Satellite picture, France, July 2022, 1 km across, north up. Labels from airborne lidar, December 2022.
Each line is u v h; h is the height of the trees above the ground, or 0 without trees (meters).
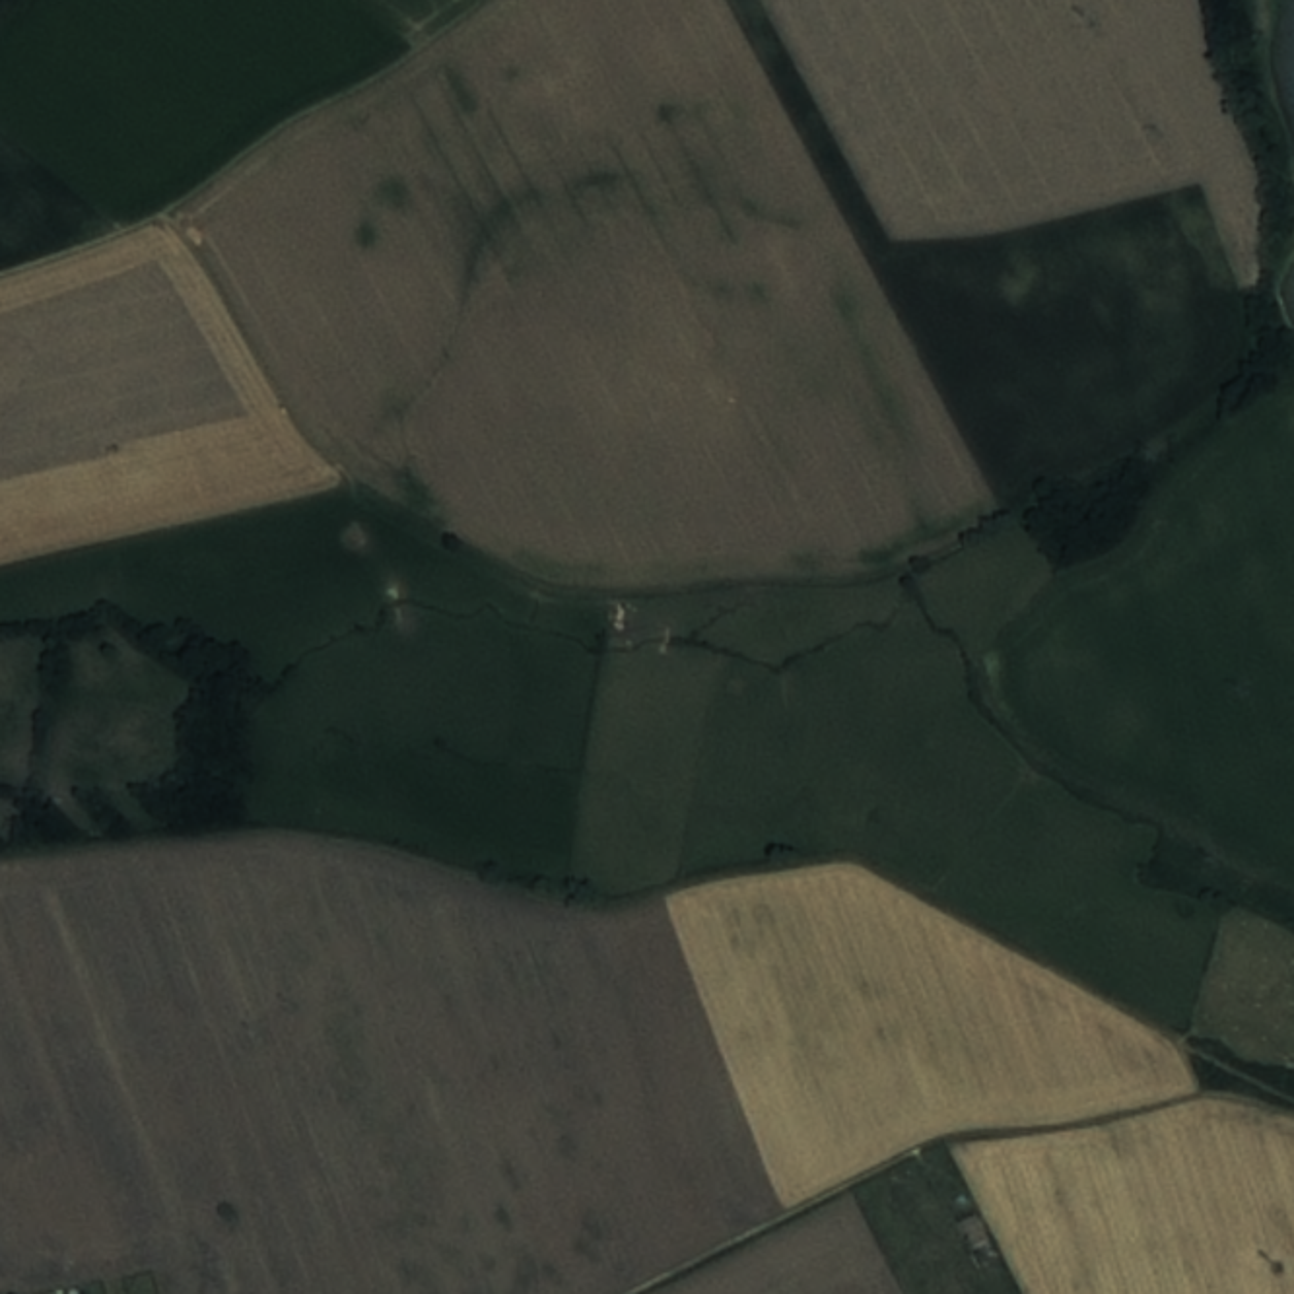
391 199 0
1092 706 0
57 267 0
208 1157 0
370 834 0
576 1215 0
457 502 0
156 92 0
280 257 0
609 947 0
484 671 0
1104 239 0
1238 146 0
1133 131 0
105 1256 0
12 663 0
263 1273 0
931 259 0
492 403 0
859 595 0
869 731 0
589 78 0
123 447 0
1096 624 0
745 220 0
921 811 0
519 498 0
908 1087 0
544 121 0
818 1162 0
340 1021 0
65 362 0
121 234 0
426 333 0
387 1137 0
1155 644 0
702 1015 0
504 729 0
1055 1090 0
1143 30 0
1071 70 0
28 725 0
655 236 0
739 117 0
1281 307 12
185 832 14
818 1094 0
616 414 0
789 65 0
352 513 0
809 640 0
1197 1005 0
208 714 14
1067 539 11
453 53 0
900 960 0
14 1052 0
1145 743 0
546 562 0
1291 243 0
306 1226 0
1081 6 0
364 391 0
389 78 0
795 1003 0
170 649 6
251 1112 0
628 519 0
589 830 0
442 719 0
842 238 0
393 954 0
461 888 0
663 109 0
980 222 0
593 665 0
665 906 0
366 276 0
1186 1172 0
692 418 0
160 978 0
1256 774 0
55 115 0
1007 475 0
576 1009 0
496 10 0
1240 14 23
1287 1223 0
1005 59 0
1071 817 0
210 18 0
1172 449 6
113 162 0
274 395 0
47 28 0
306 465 0
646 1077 0
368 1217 0
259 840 0
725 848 0
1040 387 0
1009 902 0
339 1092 0
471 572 0
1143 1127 0
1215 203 0
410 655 0
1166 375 0
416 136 0
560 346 0
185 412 0
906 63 0
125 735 0
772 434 0
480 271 0
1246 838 0
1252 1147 0
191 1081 0
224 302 0
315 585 0
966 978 0
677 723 0
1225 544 0
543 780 0
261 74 0
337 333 0
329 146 0
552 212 0
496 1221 0
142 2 0
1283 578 0
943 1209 0
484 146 0
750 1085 0
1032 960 0
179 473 0
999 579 0
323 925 0
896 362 0
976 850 0
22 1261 0
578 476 0
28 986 0
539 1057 0
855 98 0
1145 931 0
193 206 0
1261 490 0
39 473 0
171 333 0
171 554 0
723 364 0
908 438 0
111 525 0
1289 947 0
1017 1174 0
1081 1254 0
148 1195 0
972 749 0
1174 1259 0
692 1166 0
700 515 0
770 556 0
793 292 0
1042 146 0
